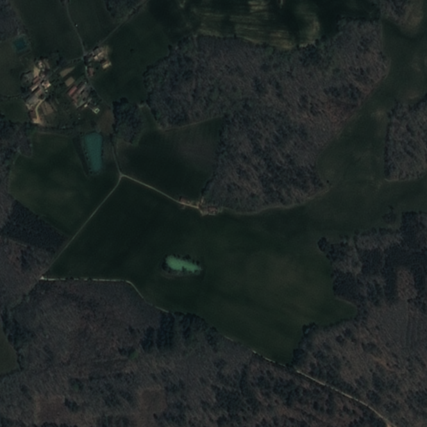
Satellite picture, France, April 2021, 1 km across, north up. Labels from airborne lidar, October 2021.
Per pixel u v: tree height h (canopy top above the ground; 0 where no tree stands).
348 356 23
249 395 23
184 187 0
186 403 21
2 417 18
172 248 0
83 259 0
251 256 0
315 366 11
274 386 8
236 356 16
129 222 0
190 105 23
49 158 0
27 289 9
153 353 17
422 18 0
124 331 6
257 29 0
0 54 0
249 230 0
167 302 0
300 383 10
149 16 0
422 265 15
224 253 0
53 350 14
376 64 17
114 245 0
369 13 0
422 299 10
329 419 9
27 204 0
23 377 18
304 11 0
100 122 0
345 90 18
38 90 0
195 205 0
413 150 22
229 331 0
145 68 0
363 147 0
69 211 0
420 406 22
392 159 15
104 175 0
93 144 0
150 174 0
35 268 17
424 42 0
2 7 16
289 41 0
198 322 24
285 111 7
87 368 6
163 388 16
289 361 0
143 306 13
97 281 6
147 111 0
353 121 0
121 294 7
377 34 17
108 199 0
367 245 22
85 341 7
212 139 0
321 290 0
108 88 0
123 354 20
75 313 14
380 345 14
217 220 0
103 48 0
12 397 14
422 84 0
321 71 17
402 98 0
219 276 0
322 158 0
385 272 10
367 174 0
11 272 14
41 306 15
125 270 0
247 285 0
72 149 0
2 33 16
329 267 0
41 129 12
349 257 15
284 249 0
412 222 15
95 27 0
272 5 0
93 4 0
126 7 24
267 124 24
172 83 13
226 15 0
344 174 0
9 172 16
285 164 12
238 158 16
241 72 18
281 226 0
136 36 0
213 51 11
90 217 0
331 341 21
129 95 0
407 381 17
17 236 16
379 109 0
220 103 13
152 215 0
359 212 0
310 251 0
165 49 0
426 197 0
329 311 0
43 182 0
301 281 0
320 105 10
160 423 24
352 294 15
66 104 6
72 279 8
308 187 19
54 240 17
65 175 0
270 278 0
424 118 18
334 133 8
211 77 16
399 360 14
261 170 21
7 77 0
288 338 0
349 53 15
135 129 25
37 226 16
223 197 15
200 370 15
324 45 18
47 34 0
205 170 0
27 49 0
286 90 11
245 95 16
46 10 0
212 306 0
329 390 8
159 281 0
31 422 20
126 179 0
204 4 0
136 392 16
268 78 15
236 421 21
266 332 0
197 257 0
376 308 12
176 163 0
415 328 11
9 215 18
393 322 14
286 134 30
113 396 12
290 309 0
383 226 0
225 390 16
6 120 19
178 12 0
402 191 0
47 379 14
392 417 18
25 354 15
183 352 16
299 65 14
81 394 12
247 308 0
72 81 0
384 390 25
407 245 15
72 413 17
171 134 0
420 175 20
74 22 0
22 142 17
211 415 13
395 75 0
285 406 9
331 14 0
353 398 22
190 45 24
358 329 19
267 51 22
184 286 0
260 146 21
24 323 19
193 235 0
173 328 31
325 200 0
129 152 0
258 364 11
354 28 23
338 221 0
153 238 0
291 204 19
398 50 0
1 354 0
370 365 25
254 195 16
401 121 12
